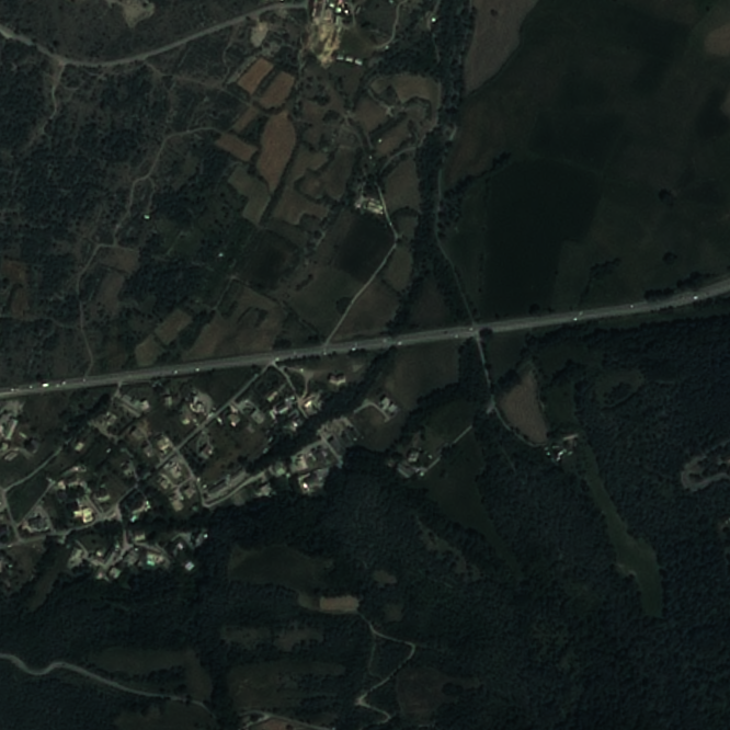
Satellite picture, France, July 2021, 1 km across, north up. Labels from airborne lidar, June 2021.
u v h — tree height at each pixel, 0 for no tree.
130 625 13
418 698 0
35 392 0
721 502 9
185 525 6
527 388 0
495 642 12
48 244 6
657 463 8
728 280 0
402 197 0
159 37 0
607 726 25
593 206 0
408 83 0
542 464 7
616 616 18
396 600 9
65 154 6
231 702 7
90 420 10
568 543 13
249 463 16
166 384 8
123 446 10
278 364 10
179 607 7
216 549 12
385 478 14
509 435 14
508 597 14
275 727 0
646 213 0
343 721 12
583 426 10
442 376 0
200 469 12
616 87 0
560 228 0
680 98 0
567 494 13
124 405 0
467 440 0
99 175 7
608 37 0
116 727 8
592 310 0
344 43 0
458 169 0
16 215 7
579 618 13
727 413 14
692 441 10
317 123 0
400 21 0
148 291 7
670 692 13
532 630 15
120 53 0
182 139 0
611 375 0
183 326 0
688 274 0
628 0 0
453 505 0
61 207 5
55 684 6
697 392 12
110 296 0
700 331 20
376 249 0
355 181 8
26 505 0
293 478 8
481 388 15
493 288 0
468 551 19
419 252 10
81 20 0
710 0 0
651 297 16
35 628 11
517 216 0
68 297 6
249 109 0
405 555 9
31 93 6
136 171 0
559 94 0
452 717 7
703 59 0
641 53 0
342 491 10
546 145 0
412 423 10
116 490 0
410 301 9
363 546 6
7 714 7
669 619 16
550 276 0
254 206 0
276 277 0
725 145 0
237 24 0
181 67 0
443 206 13
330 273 0
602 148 0
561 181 0
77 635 7
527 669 23
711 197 0
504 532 12
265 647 10
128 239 7
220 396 0
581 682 7
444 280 10
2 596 7
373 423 0
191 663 0
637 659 16
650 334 19
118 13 0
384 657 7
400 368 0
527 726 9
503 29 0
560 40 0
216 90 0
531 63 0
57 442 7
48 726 6
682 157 0
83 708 9
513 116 0
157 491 7
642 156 0
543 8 0
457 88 9
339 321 0
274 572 0
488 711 6
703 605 14
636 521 15
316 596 9
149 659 0
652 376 9
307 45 0
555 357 0
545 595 6
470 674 10
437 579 11
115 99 7
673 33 0
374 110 0
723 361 19
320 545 9
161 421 0
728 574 11
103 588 8
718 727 9
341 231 0
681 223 0
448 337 0
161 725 0
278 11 0
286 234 0
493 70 0
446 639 10
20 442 0
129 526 12
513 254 0
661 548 15
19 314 0
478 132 0
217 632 9
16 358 0
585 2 0
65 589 9
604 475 7
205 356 0
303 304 0
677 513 12
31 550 0
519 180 0
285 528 17
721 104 0
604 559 18
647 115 0
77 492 7
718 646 24
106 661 0
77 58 0
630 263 0
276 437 12
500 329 0
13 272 0
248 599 7
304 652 7
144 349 0
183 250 0
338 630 11
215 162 7
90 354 0
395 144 0
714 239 0
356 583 8
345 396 9
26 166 7
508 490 7
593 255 0
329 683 9
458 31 7
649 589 0
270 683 0
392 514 10
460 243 0
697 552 14
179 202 7
